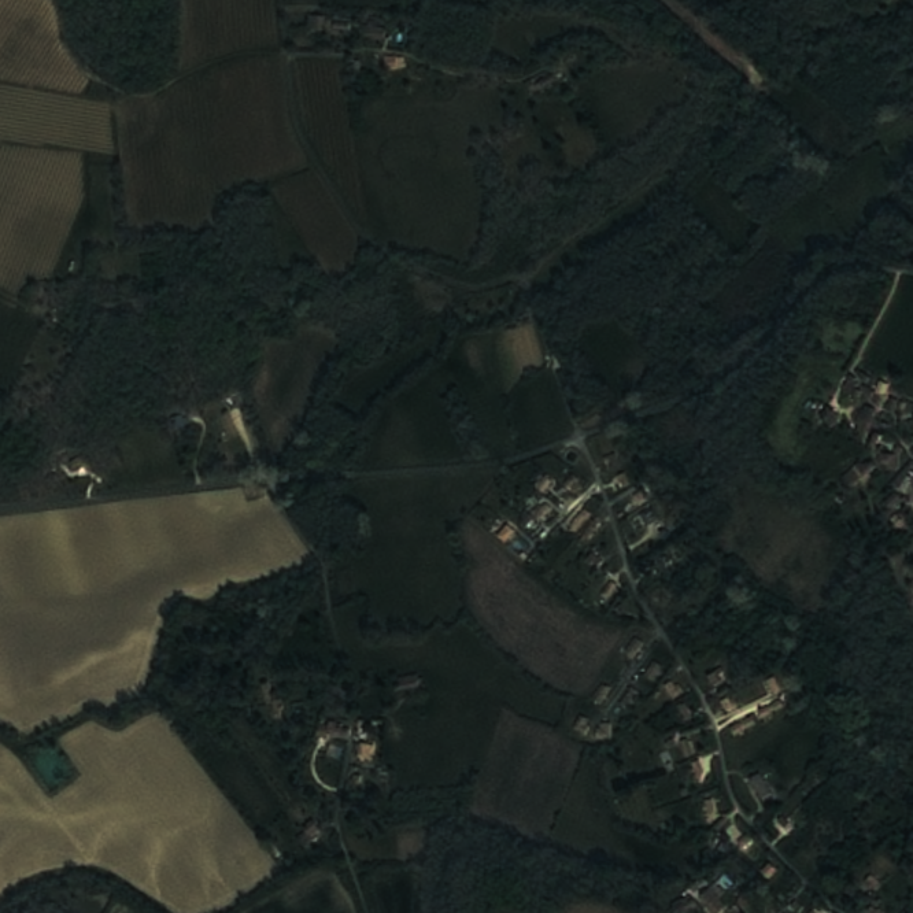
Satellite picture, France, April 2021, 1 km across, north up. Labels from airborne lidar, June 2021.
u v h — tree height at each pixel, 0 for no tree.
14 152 0
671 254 29
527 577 0
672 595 16
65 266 0
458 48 18
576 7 19
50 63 0
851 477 0
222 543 0
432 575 0
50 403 14
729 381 23
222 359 18
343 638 0
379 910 0
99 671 0
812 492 21
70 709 0
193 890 0
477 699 0
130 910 0
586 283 26
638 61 9
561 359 9
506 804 0
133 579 0
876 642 23
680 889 13
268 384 0
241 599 13
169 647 8
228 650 11
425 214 0
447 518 0
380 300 24
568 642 0
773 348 16
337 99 0
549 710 0
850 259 8
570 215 22
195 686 18
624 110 0
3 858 0
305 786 8
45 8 0
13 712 0
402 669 0
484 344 0
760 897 21
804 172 17
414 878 0
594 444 0
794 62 18
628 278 30
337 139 0
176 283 18
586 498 0
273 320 7
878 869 0
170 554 0
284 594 17
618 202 7
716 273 22
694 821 10
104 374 19
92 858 0
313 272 15
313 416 15
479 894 17
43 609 0
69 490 15
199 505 0
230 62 0
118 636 0
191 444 14
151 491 0
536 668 0
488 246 19
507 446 0
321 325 16
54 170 0
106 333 20
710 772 0
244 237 22
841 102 19
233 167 0
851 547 14
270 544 0
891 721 20
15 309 0
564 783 0
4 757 0
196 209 0
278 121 0
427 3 18
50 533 0
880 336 0
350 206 0
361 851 0
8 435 17
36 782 0
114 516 0
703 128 11
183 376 14
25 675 0
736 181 24
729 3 9
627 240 26
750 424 18
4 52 0
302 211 0
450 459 0
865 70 18
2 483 20
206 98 0
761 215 14
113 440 18
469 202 0
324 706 9
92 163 0
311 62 0
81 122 0
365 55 0
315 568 11
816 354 13
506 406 9
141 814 0
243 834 0
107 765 0
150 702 19
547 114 0
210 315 22
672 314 18
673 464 9
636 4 18
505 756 0
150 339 22
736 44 10
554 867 20
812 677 12
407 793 7
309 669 28
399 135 0
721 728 0
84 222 0
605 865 20
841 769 12
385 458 0
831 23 17
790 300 11
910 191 19
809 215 0
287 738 14
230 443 0
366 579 0
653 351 14
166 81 15
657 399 15
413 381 14
